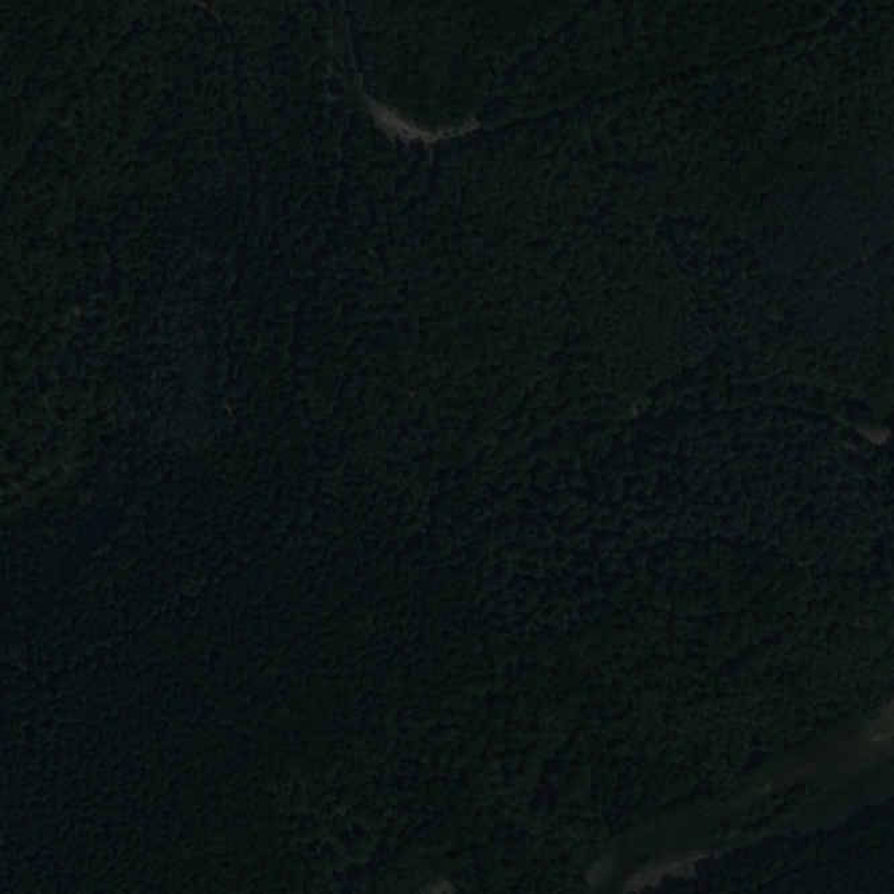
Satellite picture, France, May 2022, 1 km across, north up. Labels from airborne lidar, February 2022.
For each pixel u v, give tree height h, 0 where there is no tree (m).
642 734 29
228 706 28
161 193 31
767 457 34
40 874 29
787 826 0
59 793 31
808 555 35
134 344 33
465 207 30
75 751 19
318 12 31
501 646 31
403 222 27
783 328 27
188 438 23
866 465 7
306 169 31
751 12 31
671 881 0
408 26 25
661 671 32
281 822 29
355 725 27
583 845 36
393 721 27
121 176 35
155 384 25
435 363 30
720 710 30
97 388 36
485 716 36
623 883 0
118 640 35
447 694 31
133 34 34
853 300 24
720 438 28
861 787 0
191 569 34
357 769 27
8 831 30
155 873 29
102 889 31
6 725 33
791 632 32
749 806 0
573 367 21
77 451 8
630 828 24
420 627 29
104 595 33
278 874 31
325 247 30
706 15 32
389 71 26
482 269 31
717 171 25
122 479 24
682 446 38
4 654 33
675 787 36
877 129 25
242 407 29
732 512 34
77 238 28
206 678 30
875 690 21
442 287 28
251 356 29
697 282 30
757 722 31
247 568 31
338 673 26
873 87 28
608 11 32
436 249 30
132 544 33
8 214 33
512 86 34
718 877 26
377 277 32
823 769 0
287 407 32
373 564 33
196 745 28
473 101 28
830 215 24
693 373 29
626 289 28
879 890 19
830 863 16
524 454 35
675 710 29
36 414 32
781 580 32
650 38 33
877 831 21
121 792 27
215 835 26
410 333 29
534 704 34
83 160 36
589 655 31
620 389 32
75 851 32
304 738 28
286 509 33
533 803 38
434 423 20
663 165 31
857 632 19
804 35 29
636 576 35
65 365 37
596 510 38
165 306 28
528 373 34
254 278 27
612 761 34
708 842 0
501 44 27
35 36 29
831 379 24
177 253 29
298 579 34
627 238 31
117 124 35
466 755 33
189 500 35
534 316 31
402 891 23
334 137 24
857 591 29
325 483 33
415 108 26
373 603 28
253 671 27
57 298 32
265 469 29
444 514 24
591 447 36
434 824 34
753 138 29
